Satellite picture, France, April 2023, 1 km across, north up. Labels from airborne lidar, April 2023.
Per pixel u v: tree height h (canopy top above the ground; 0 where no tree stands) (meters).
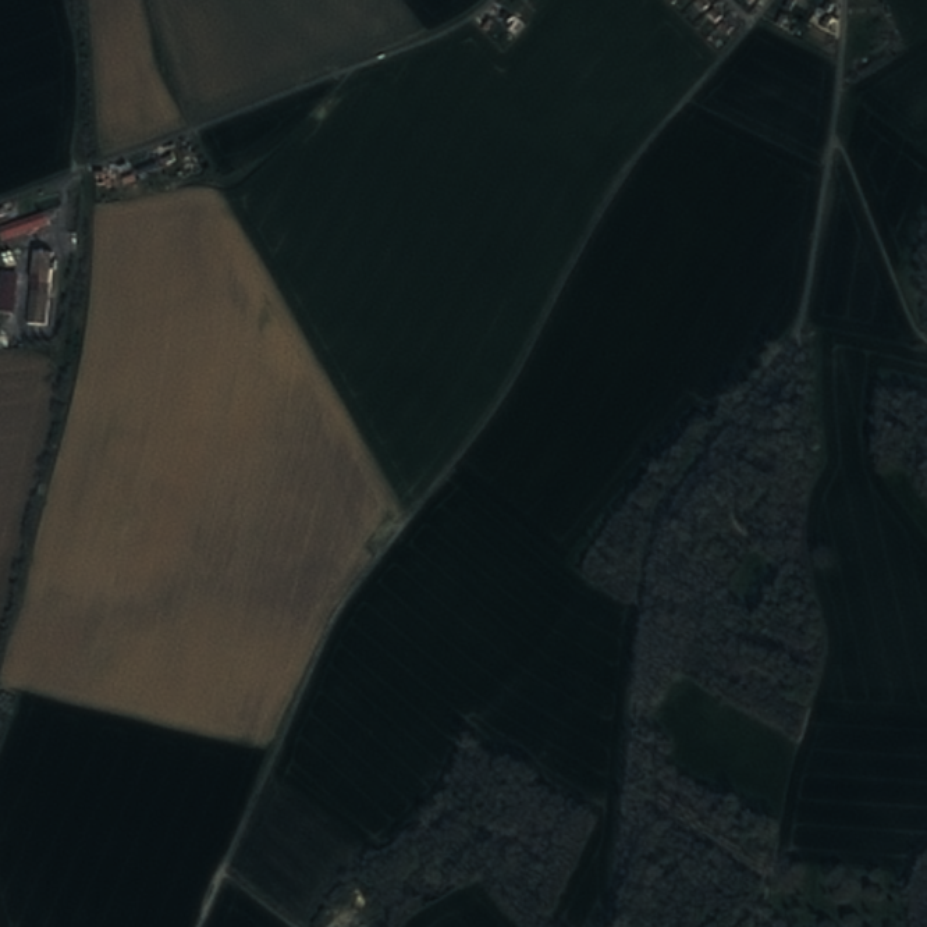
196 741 0
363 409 0
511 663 0
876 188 0
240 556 0
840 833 0
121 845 0
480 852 17
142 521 0
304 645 0
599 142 0
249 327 0
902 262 0
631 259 0
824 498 0
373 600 0
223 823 0
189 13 0
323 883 0
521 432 0
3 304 0
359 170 0
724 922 27
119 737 0
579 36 0
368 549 0
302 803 0
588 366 0
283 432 0
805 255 0
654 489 17
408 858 18
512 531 0
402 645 0
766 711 18
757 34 0
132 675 0
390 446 0
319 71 0
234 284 0
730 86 0
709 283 0
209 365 0
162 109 0
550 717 0
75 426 0
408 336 0
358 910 0
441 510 0
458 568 0
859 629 0
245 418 0
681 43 0
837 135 0
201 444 0
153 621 0
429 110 0
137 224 0
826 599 0
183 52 0
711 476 17
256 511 0
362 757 0
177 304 0
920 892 21
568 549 0
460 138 0
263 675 0
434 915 0
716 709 0
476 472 0
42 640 0
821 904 0
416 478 0
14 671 0
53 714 0
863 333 0
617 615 0
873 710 0
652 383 0
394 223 0
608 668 0
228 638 0
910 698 0
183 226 0
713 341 0
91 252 0
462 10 0
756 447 23
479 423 0
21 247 0
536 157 0
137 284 0
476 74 0
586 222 0
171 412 0
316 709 0
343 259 0
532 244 0
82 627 0
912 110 0
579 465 0
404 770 0
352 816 0
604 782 0
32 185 0
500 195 0
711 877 35
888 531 0
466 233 0
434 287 0
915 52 0
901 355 0
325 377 0
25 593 0
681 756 0
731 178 0
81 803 0
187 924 0
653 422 0
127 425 0
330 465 0
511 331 0
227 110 0
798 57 0
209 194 0
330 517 0
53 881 0
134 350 0
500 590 0
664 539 21
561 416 0
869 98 0
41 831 0
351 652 0
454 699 0
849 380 0
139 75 0
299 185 0
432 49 0
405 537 0
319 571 0
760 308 0
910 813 0
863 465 0
